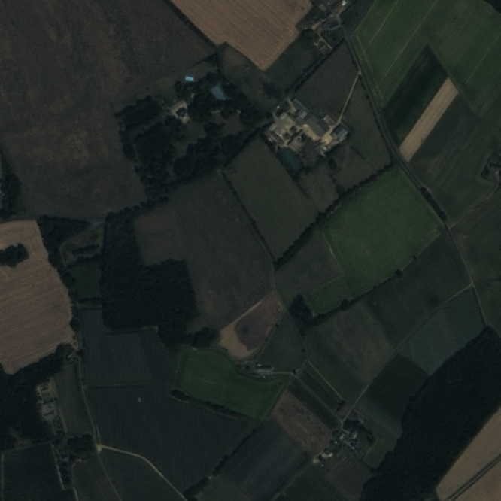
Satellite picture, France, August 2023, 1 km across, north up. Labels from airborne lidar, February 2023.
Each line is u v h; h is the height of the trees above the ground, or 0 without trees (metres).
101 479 0
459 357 19
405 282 0
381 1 0
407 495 23
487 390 17
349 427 17
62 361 12
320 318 7
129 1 0
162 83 0
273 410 0
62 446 11
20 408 10
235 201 0
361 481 0
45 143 0
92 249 8
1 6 0
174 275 21
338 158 0
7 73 0
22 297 0
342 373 0
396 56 0
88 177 0
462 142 0
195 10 0
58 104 0
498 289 0
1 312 0
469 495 0
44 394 0
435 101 0
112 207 0
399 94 0
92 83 0
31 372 14
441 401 23
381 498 15
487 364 23
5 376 16
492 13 0
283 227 0
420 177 0
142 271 20
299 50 0
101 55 0
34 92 0
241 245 0
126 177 0
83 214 0
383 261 0
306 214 0
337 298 0
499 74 0
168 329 18
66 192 0
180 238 0
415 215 0
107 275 21
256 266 0
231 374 0
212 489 0
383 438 0
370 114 0
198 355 0
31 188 0
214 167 20
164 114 0
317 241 0
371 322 0
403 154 0
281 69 0
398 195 0
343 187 0
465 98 0
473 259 0
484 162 0
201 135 0
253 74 0
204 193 0
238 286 0
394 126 0
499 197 0
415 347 0
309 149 0
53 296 0
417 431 20
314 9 0
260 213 0
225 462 8
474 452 0
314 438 0
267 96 0
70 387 0
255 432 8
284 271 0
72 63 0
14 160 0
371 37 0
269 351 0
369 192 0
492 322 0
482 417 16
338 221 0
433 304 0
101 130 0
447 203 0
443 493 0
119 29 0
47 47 0
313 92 0
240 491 0
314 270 0
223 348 0
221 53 0
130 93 0
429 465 25
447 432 23
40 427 13
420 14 0
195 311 16
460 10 0
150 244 0
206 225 0
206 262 0
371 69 0
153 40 0
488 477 0
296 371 7
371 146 0
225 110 13
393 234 0
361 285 0
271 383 0
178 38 0
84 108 0
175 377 0
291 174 7
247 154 0
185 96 16
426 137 0
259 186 0
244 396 0
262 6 0
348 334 0
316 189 0
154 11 0
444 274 0
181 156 0
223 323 0
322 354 0
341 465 0
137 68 0
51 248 23
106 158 0
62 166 0
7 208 13
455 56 0
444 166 0
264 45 0
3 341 0
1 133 0
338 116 0
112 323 21
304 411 0
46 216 0
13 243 0
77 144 0
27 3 0
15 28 0
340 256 0
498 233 0
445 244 0
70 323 0
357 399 0
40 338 0
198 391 0
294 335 0
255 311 0
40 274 0
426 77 0
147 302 24
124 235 24
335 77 0
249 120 20
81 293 0
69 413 0
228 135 0
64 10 0
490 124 0
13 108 0
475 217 0
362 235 0
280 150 7
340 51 0
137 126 10
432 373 0
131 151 20
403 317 0
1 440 11
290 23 0
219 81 14
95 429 0
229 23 0
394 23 0
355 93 0
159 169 14
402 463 22
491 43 0
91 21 0
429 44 0
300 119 0
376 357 0
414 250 0
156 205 15
